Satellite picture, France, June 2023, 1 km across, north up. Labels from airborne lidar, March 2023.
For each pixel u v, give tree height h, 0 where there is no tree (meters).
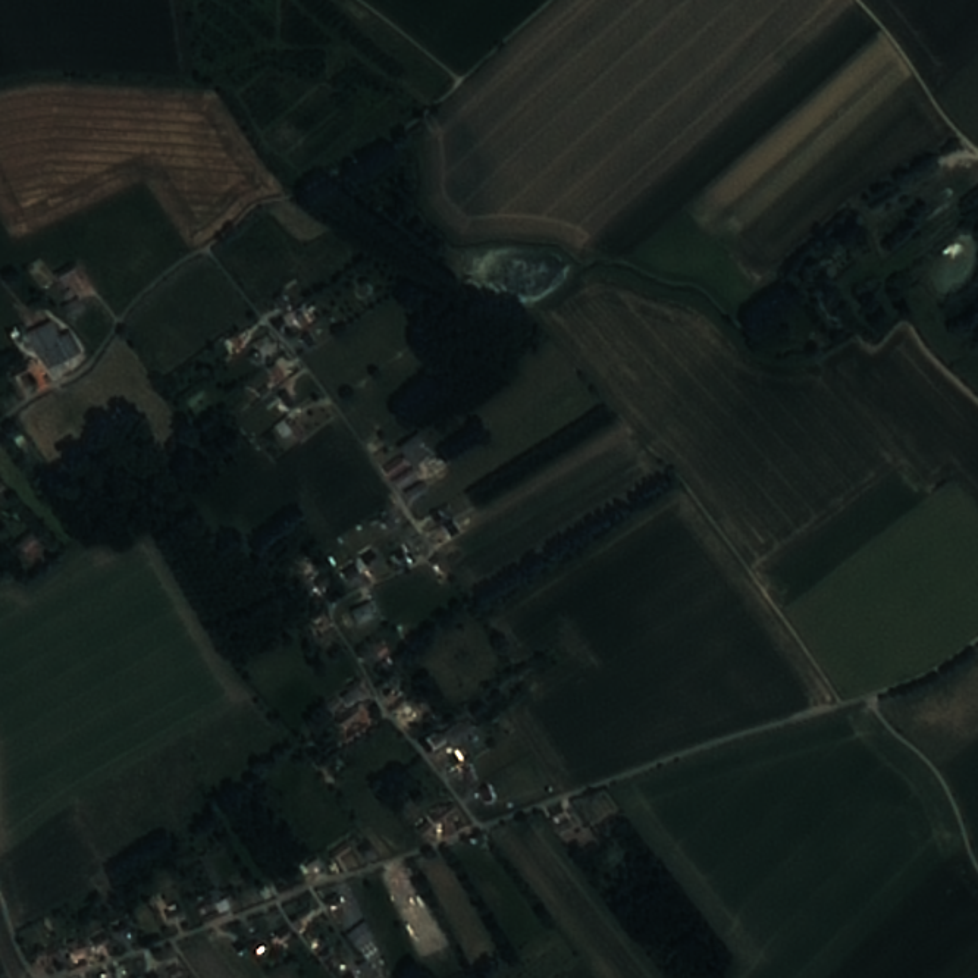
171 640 0
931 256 0
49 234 0
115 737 0
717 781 0
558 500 0
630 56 0
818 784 0
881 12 0
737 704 0
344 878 0
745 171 0
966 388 0
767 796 0
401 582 0
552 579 0
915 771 0
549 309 0
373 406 0
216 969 0
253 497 0
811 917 0
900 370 0
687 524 0
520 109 0
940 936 0
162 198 0
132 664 0
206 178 0
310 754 9
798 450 0
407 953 0
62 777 0
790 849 0
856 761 0
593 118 0
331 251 0
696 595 0
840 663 0
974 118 0
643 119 0
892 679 0
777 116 0
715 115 0
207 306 0
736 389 0
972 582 0
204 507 0
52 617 0
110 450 32
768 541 0
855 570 0
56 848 0
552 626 0
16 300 0
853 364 0
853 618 0
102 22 0
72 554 0
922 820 0
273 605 21
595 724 0
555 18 0
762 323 31
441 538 0
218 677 0
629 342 0
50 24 0
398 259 36
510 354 29
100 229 0
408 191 24
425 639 16
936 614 0
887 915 0
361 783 0
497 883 0
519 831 0
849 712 0
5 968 0
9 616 0
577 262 0
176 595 0
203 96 0
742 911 0
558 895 0
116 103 0
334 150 0
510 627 0
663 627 0
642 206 0
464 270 0
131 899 11
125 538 28
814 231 0
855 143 0
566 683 0
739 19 0
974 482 0
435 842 0
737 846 0
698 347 0
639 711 0
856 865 0
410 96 0
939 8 0
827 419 0
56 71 0
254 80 0
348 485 0
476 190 0
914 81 0
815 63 0
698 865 0
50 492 28
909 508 0
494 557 0
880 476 0
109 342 0
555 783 0
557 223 0
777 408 0
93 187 0
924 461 0
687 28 0
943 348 0
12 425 15
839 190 0
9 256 0
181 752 0
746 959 0
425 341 33
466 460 0
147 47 0
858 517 0
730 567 0
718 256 0
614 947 0
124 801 0
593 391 6
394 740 0
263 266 0
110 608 0
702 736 0
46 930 0
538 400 0
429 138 0
